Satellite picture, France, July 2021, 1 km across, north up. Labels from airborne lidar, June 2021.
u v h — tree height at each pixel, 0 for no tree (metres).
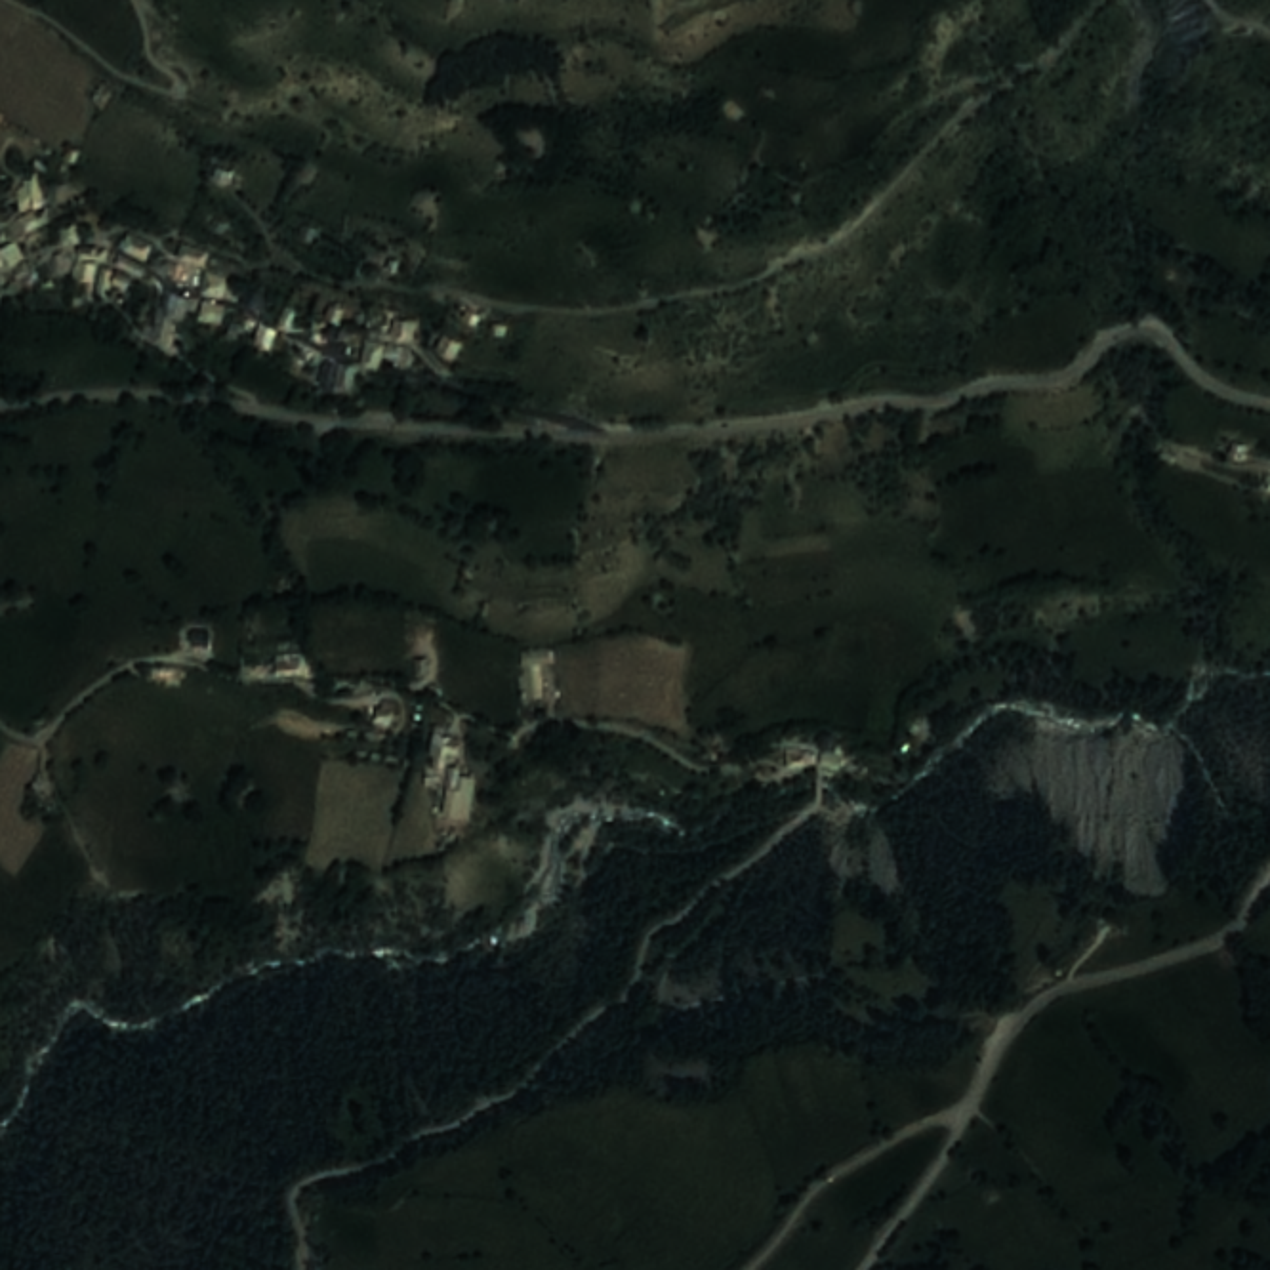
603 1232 0
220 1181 8
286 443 14
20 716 0
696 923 12
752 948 7
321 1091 18
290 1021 14
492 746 6
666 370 0
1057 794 0
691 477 0
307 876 8
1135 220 10
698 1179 0
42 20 0
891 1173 0
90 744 0
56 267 0
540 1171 0
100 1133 14
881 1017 25
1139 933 0
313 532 0
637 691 0
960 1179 0
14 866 0
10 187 6
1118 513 0
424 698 13
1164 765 0
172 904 9
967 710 9
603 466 11
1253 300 15
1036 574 12
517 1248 0
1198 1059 0
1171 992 0
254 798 12
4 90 0
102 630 0
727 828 10
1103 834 0
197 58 0
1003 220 11
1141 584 0
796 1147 0
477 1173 0
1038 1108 0
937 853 8
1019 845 12
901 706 9
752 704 0
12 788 0
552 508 0
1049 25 15
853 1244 0
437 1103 15
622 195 10
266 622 0
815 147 0
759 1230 0
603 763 9
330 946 8
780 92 0
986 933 17
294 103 9
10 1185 14
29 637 0
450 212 0
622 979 11
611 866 13
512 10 0
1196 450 0
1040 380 0
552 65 13
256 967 8
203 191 8
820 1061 0
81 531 0
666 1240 0
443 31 0
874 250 0
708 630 0
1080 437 0
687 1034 20
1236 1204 10
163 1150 5
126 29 0
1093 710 14
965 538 0
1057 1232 0
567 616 0
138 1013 8
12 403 10
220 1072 7
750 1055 12
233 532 0
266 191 0
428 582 0
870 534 0
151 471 0
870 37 0
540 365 0
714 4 0
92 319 9
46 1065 7
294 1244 12
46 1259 17
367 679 13
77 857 0
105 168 0
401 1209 0
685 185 0
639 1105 0
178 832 0
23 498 0
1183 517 0
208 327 6
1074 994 0
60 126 0
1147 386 10
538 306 0
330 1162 13
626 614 0
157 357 7
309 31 0
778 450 16
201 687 0
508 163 7
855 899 14
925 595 0
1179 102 10
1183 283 0
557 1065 16
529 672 0
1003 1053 0
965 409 11
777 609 0
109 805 0
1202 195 0
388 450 10
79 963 10
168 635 0
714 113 9
